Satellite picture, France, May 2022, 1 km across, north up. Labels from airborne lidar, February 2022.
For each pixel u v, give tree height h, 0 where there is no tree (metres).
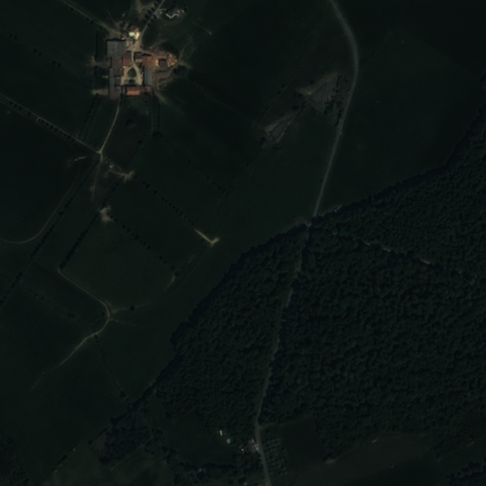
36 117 0
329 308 24
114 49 0
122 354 0
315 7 0
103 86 0
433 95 0
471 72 0
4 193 0
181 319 0
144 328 0
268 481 0
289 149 0
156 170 0
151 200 0
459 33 0
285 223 0
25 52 0
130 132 0
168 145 0
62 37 0
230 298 21
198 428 0
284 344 25
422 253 31
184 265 0
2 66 0
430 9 0
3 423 0
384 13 0
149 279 0
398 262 31
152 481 0
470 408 14
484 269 26
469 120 0
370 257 30
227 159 0
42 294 0
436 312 29
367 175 0
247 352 30
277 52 0
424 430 22
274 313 17
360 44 0
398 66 0
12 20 0
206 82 0
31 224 0
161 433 13
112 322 0
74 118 0
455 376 28
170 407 15
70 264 0
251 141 0
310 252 23
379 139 0
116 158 0
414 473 0
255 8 0
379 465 0
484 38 0
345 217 25
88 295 0
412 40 0
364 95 0
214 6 0
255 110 0
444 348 27
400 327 29
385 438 0
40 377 0
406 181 0
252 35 0
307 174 0
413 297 33
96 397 0
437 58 0
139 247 0
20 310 0
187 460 0
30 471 0
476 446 0
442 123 0
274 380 13
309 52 0
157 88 0
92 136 0
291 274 18
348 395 22
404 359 29
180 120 0
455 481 18
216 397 28
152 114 0
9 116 0
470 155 25
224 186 0
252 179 0
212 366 30
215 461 0
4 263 0
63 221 0
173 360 0
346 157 0
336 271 18
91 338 0
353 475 0
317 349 34
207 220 0
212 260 0
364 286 27
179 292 0
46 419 0
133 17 0
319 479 0
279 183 0
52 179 0
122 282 0
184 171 0
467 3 0
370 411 29
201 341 29
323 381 27
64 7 0
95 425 0
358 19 0
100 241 0
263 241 0
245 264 18
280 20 0
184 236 0
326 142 0
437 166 0
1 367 0
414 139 0
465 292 32
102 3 0
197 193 0
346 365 31
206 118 0
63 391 0
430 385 32
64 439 0
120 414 0
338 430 21
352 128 0
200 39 0
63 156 0
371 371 26
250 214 0
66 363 0
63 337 0
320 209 0
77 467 0
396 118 0
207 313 26
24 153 0
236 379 20
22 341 0
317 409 17
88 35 0
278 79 0
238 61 0
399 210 28
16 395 0
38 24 0
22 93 0
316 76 0
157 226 0
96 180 0
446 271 30
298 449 0
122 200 0
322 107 0
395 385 24
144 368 0
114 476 0
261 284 27
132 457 0
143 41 0
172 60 0
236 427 22
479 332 14
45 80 0
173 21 0
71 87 0
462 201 28
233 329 32
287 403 30
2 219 0
